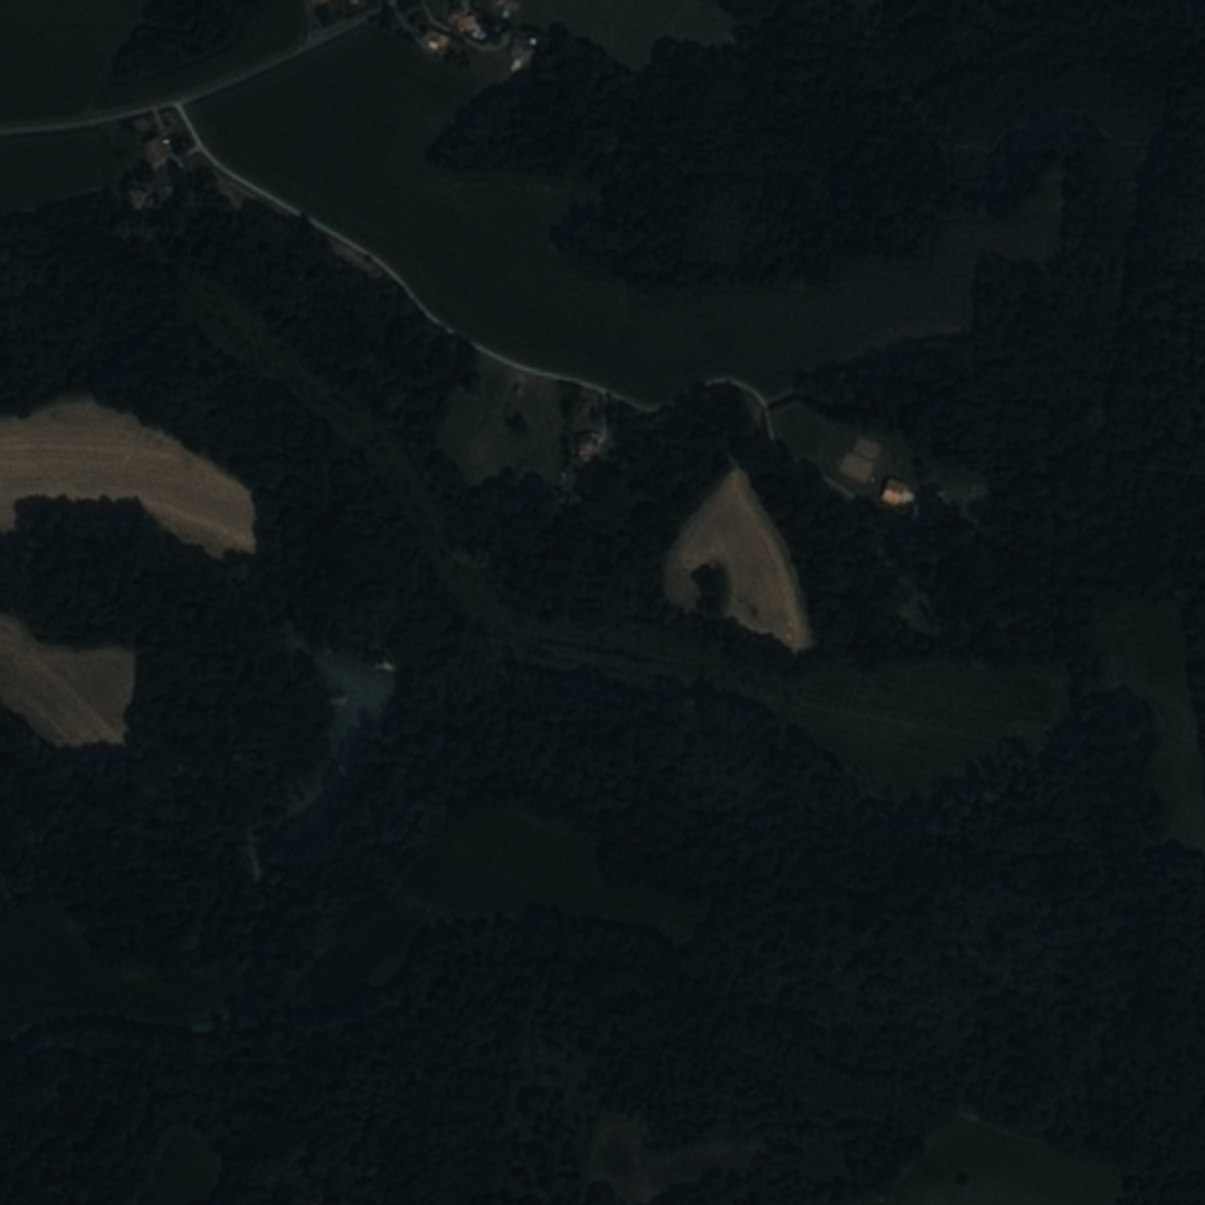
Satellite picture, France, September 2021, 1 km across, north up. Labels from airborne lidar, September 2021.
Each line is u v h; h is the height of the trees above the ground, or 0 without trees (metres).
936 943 22
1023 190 17
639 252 29
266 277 18
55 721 0
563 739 21
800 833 18
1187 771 0
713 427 15
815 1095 29
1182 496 16
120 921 23
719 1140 0
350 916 26
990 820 21
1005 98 13
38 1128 25
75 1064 29
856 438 0
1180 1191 17
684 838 15
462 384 13
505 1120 16
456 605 14
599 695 23
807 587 17
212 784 26
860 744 0
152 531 18
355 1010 17
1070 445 17
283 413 25
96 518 20
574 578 12
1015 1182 0
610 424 13
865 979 6
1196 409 13
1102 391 14
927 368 28
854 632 17
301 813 0
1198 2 20
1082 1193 0
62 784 31
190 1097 26
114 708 0
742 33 10
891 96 7
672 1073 13
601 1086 11
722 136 20
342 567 23
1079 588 25
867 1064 19
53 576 31
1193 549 20
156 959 22
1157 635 0
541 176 16
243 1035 23
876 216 29
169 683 30
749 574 0
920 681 0
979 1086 14
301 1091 21
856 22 11
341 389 16
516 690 21
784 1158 15
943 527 23
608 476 21
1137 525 26
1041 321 21
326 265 17
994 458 26
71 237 23
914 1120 29
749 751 7
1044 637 22
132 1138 30
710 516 0
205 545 0
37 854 28
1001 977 26
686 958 20
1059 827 29
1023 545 23
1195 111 18
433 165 12
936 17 7
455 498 16
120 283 21
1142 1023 21
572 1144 8
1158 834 24
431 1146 21
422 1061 19
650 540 25
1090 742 23
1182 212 25
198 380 27
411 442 20
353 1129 25
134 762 19
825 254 19
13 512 0
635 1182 0
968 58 7
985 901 25
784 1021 23
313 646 25
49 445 0
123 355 21
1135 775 28
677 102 17
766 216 13
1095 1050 23
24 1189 14
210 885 28
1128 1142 24
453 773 21
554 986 23
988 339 19
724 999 22
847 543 24
